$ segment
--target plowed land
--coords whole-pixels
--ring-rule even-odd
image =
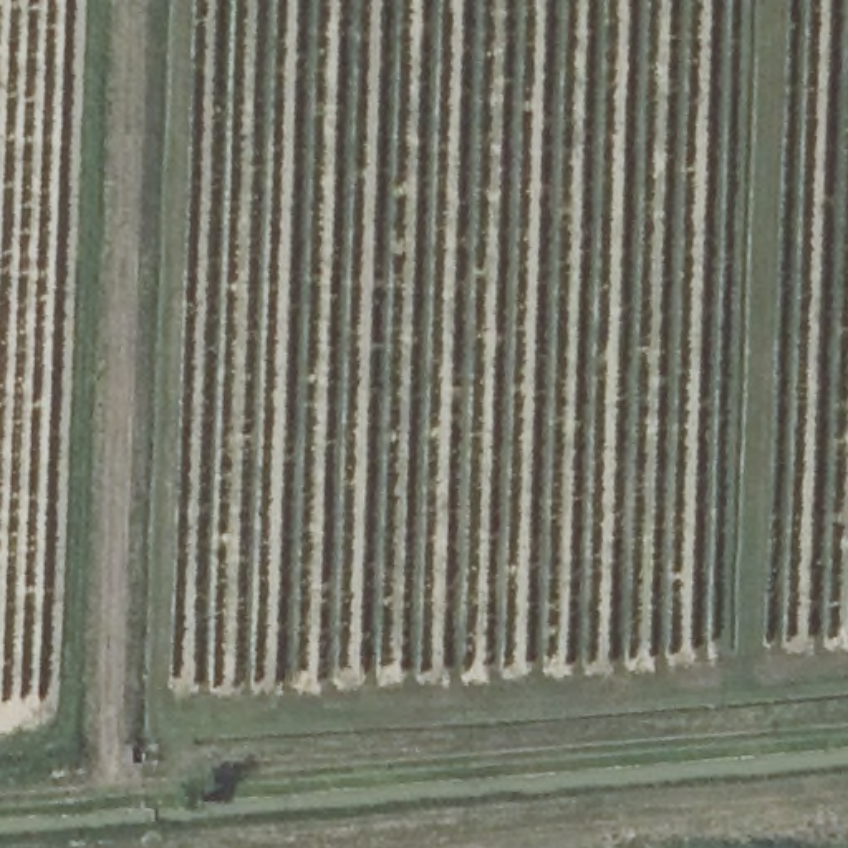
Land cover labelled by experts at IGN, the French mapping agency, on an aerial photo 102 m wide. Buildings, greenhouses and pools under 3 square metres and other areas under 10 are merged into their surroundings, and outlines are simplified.
[[[0,699],[0,735],[13,729],[36,729],[43,722],[36,719],[40,696]]]

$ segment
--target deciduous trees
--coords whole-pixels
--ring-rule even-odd
[[[56,785],[66,785],[66,769],[89,765],[99,755],[86,729],[76,732],[73,749],[60,745],[56,719],[43,722],[36,729],[13,729],[0,735],[0,818],[96,812],[99,798],[63,805]]]
[[[616,848],[848,848],[848,841],[812,845],[798,838],[633,838]]]
[[[848,772],[709,785],[719,798],[778,795],[782,808],[835,808],[848,815]]]
[[[152,818],[99,828],[0,831],[0,848],[66,848],[73,838],[133,841],[146,831],[199,835],[212,828],[398,815],[391,802],[374,802],[205,818]]]

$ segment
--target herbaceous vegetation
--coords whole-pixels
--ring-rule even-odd
[[[232,802],[209,802],[205,818],[374,802],[391,802],[398,815],[212,828],[199,835],[146,831],[133,841],[73,838],[66,848],[616,848],[633,838],[798,838],[812,845],[848,841],[848,815],[835,808],[782,808],[778,795],[719,798],[709,785],[848,772],[848,749],[769,752],[755,759],[649,762],[629,769],[576,769],[547,775],[497,775],[451,782],[424,778],[398,785],[318,788],[298,795],[235,795]]]
[[[96,778],[99,755],[89,765],[66,769],[66,785],[56,785],[63,805],[99,798],[109,788],[103,788]]]
[[[0,818],[0,831],[99,828],[152,818],[152,808],[146,805],[96,812]]]

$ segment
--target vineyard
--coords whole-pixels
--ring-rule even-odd
[[[152,808],[152,818],[205,818],[209,802],[232,802],[235,795],[298,795],[318,788],[398,785],[424,778],[451,782],[497,775],[547,775],[576,769],[629,769],[649,762],[755,759],[769,752],[848,749],[848,0],[0,0],[0,699],[40,696],[36,719],[43,722],[56,719],[60,745],[73,749],[76,732],[86,729],[99,755],[96,778],[103,788],[109,788],[99,798],[96,812],[146,805]]]

